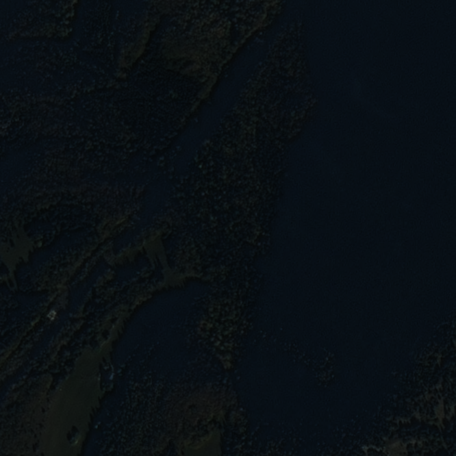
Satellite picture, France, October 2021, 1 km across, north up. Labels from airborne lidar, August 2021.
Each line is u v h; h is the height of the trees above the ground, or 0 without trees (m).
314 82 22
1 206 17
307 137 8
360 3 23
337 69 25
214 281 24
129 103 26
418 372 11
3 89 25
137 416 27
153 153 18
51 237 17
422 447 6
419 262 18
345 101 21
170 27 23
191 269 21
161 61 18
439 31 22
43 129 17
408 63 18
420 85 22
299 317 18
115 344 0
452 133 27
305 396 23
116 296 18
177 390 17
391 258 16
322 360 19
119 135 20
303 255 14
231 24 15
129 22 16
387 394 6
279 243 26
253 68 26
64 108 17
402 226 16
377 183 17
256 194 23
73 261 20
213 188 18
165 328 26
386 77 26
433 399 6
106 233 18
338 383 15
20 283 21
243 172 22
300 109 24
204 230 27
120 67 10
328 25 26
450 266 21
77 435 12
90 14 28
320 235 15
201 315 27
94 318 14
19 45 19
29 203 23
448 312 9
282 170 23
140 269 16
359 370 15
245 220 24
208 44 18
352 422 22
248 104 28
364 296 18
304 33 26
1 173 22
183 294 0
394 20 24
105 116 13
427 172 22
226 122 28
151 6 11
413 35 19
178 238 22
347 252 18
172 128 23
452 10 24
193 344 18
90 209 29
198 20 27
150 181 23
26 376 15
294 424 24
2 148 29
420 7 24
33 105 11
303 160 18
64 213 23
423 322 20
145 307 0
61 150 23
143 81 18
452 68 15
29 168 10
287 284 24
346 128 23
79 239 24
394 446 0
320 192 20
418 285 23
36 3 28
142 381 23
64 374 16
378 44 25
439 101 24
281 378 9
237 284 19
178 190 28
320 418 15
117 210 22
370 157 18
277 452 18
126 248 20
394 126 21
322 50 25
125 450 25
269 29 19
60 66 18
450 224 20
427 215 14
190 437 13
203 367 17
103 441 23
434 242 18
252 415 26
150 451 15
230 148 27
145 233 23
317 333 16
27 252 0
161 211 21
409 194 15
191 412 15
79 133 22
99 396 0
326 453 9
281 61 27
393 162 14
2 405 20
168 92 19
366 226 19
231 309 25
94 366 0
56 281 16
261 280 22
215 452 0
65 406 0
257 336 31
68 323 18
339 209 24
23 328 21
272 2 29
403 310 21
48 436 0
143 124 24
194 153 24
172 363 25
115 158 23
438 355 11
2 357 16
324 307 20
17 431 18
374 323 19
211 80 22
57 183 18
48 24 30
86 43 15
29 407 12
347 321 15
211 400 11
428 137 23
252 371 22
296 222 24
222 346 18
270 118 24
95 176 13
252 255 20
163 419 19
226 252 21
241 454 20
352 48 19
